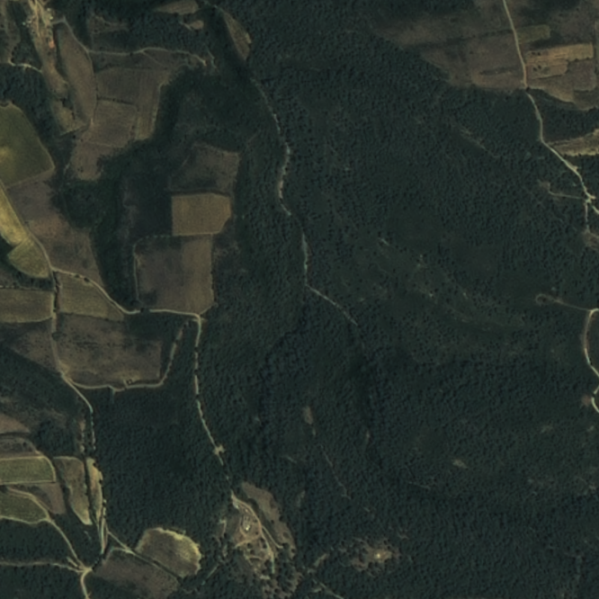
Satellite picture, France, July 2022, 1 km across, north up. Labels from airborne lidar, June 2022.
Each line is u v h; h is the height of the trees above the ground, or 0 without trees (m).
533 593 15
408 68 8
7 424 0
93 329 0
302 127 10
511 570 14
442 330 8
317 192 0
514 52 0
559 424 9
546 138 0
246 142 6
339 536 15
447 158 10
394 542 13
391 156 9
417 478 15
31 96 13
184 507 12
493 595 13
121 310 5
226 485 17
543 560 17
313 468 9
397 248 8
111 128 0
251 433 18
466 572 7
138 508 10
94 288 0
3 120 0
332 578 14
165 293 0
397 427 9
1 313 0
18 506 0
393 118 8
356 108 8
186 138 7
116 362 0
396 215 0
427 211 11
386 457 8
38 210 0
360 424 14
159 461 8
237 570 9
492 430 10
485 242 10
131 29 10
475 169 11
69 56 0
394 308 0
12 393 11
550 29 0
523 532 12
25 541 9
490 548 11
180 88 9
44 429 11
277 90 12
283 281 13
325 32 9
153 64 0
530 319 10
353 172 9
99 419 7
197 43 14
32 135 0
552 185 7
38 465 0
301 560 15
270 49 10
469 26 0
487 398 12
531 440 9
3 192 0
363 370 17
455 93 10
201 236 0
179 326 5
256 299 9
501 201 11
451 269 11
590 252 9
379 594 10
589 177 8
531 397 9
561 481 7
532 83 0
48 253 0
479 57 0
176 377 9
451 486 13
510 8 0
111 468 12
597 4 0
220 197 0
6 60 0
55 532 6
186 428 13
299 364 14
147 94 0
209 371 15
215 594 8
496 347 9
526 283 0
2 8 0
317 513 12
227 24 0
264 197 12
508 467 7
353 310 15
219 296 9
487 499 11
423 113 11
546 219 9
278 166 15
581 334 7
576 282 9
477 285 10
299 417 7
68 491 11
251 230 12
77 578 10
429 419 9
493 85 0
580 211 8
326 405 10
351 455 19
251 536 0
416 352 7
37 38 0
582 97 0
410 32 0
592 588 8
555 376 10
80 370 0
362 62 11
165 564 0
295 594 13
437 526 12
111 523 10
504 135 9
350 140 11
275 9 10
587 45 0
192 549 0
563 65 0
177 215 0
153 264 0
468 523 14
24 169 0
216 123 7
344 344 13
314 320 11
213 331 8
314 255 10
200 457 16
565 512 7
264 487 15
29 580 11
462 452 11
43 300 0
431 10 7
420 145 8
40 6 0
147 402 8
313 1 11
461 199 10
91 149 0
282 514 14
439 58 0
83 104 0
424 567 12
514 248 9
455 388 11
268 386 10
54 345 0
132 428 8
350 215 8
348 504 6
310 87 6
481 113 6
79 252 0
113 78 0
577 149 0
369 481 18
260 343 11
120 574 0
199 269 0
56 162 8
